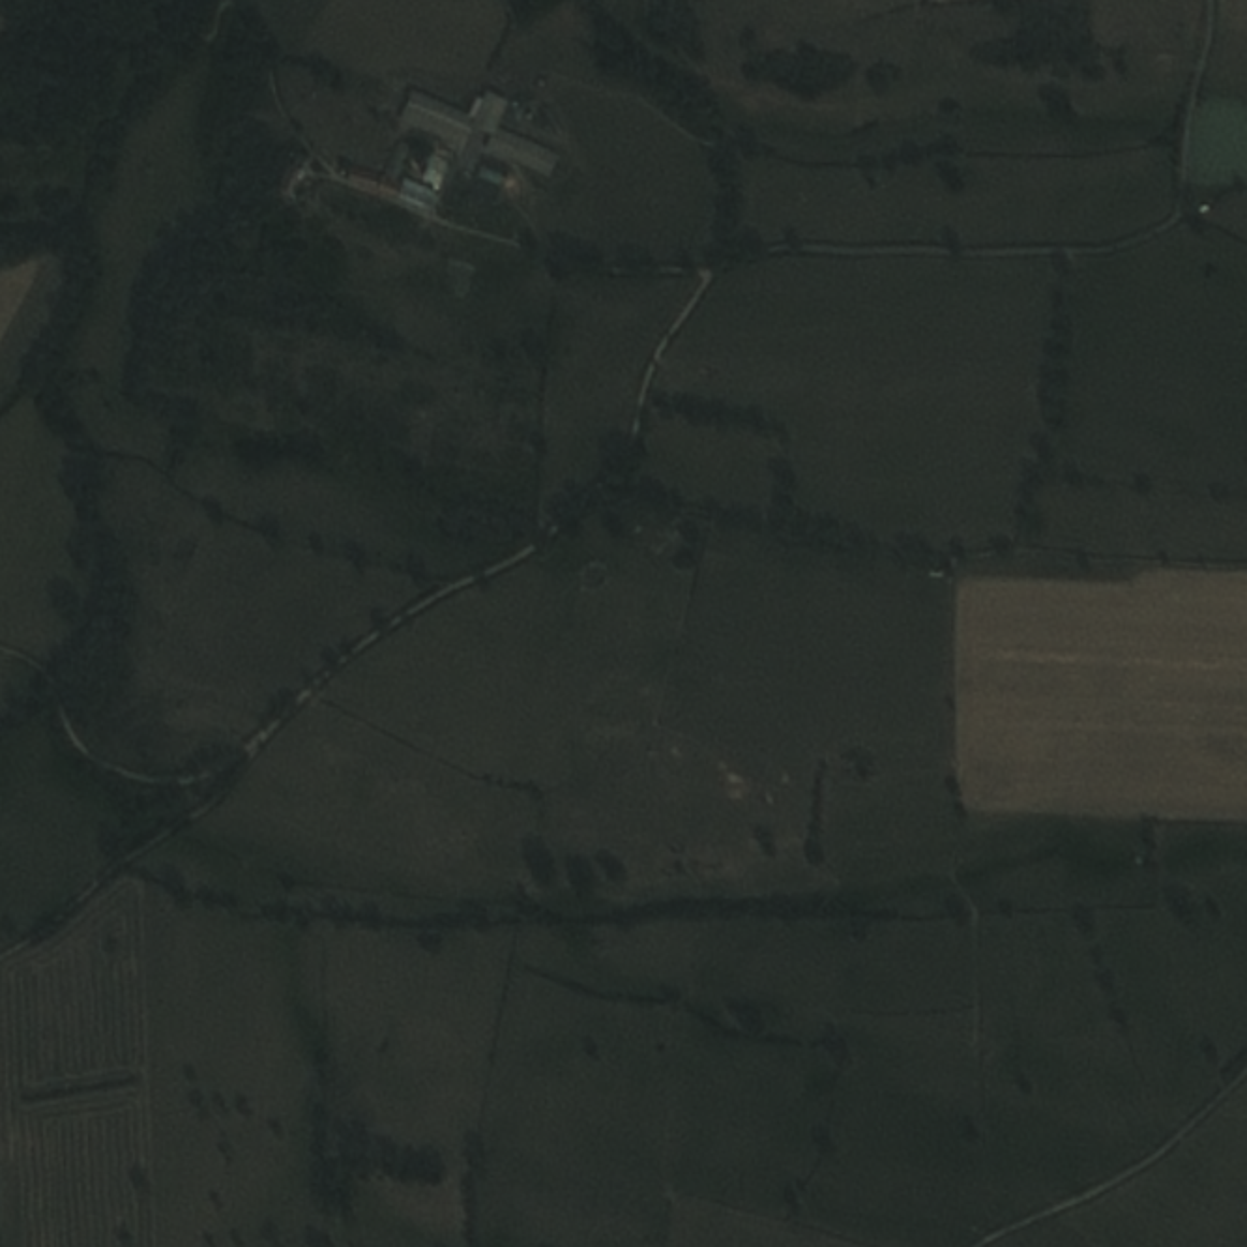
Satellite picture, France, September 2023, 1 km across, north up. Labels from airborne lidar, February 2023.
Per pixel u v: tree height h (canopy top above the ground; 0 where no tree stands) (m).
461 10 0
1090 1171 0
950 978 0
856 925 7
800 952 0
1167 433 0
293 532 0
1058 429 12
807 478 0
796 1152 0
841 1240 0
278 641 0
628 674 0
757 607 0
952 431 0
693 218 0
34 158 0
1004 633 0
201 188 0
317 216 0
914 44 0
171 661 0
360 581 0
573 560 0
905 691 0
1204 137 0
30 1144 0
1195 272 0
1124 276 0
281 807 0
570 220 0
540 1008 0
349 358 0
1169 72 0
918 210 0
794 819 0
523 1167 0
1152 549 0
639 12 0
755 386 0
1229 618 0
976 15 0
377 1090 0
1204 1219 0
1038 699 0
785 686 0
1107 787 0
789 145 0
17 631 0
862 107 0
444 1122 0
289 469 0
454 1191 0
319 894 0
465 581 0
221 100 0
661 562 0
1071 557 0
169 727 0
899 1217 0
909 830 0
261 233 13
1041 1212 0
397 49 0
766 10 0
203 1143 0
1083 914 13
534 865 25
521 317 0
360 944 0
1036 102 0
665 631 0
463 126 0
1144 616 0
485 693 0
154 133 0
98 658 10
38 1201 0
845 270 0
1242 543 0
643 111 0
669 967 0
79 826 0
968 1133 13
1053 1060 0
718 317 0
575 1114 0
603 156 0
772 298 0
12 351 0
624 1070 0
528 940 0
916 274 0
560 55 0
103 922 0
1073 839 0
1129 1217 0
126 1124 0
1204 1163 0
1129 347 0
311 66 9
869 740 0
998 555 13
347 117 0
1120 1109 0
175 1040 0
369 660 0
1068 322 9
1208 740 0
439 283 0
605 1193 0
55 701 8
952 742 0
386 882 0
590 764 0
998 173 0
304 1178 0
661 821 0
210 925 0
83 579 0
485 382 0
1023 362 0
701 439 0
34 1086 0
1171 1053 0
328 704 0
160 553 0
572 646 0
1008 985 0
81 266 18
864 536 16
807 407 0
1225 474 0
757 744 0
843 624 0
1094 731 0
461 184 0
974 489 0
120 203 0
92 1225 0
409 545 0
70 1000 0
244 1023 0
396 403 0
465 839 0
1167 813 0
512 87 0
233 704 0
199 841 0
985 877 0
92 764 18
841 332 0
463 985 0
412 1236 0
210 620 0
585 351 0
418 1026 0
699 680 0
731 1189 0
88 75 16
